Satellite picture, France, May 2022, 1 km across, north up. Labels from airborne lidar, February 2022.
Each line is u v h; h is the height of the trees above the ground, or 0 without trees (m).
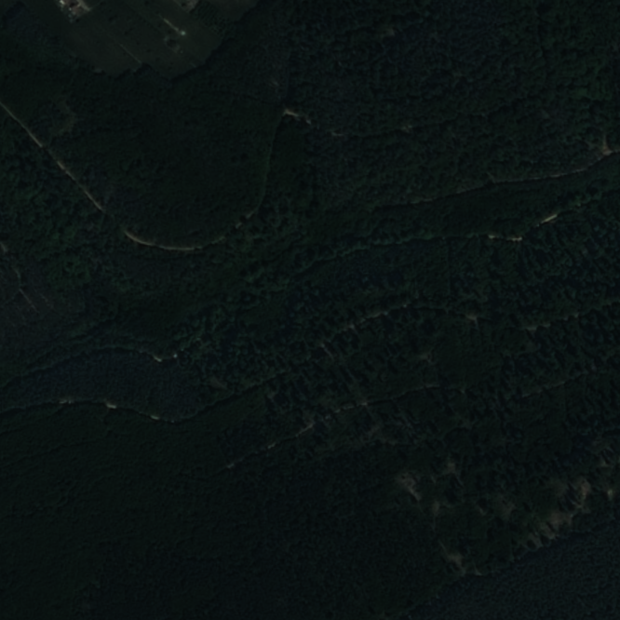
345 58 29
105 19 0
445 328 11
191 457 10
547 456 14
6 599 17
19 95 14
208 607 16
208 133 12
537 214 14
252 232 23
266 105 18
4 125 27
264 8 18
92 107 11
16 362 23
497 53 28
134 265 13
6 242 23
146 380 21
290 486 18
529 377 38
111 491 10
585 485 0
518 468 32
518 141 20
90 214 10
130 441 11
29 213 29
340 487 6
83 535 10
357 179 17
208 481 10
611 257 37
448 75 25
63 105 0
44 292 24
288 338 27
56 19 0
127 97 13
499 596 25
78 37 0
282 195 8
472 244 12
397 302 16
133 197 11
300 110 18
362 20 23
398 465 7
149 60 0
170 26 0
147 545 15
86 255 23
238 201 9
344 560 16
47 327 28
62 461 11
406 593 7
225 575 18
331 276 12
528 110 10
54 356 20
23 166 35
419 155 24
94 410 14
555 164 16
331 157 25
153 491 12
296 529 18
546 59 31
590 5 31
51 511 8
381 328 7
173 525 9
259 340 13
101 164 15
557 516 0
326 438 32
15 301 26
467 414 13
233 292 15
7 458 10
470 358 14
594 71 32
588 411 36
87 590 11
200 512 11
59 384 21
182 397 24
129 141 22
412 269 6
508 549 8
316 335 27
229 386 29
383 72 23
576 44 36
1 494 12
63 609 13
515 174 9
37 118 12
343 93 27
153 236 9
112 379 21
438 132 26
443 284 7
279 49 20
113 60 0
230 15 0
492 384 10
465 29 30
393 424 35
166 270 11
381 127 18
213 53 12
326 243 13
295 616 16
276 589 11
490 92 23
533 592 24
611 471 0
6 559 15
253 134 11
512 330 14
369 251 18
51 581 15
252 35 18
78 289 30
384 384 36
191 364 10
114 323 15
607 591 23
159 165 13
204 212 10
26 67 14
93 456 11
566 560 21
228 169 11
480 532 14
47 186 41
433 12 29
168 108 9
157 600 17
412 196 22
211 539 12
